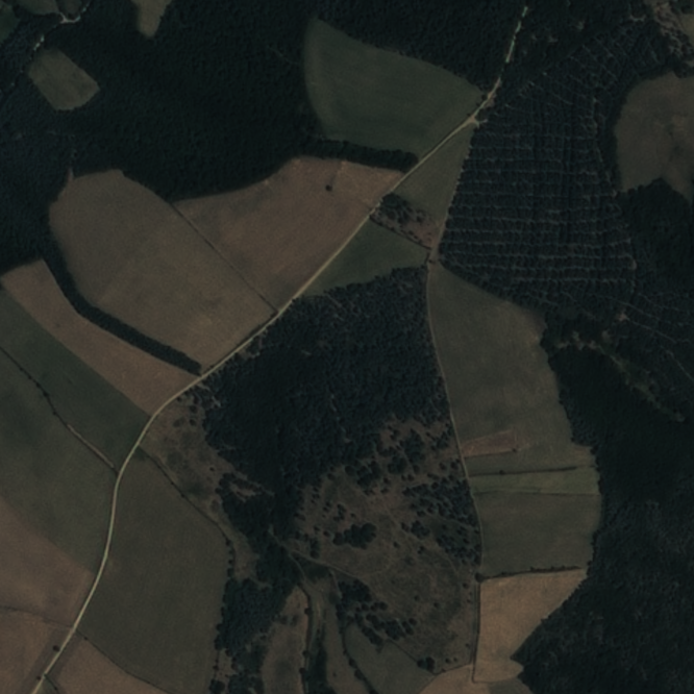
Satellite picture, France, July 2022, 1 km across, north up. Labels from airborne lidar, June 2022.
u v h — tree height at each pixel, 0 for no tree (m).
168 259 0
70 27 13
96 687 0
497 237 15
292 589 14
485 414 0
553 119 17
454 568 0
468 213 15
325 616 0
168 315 0
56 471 0
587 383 13
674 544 13
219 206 0
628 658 11
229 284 0
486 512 0
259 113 17
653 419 13
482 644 0
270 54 9
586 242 19
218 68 11
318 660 7
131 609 0
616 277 18
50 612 0
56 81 0
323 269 0
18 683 0
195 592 0
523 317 0
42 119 12
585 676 17
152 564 0
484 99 8
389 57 0
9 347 0
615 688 22
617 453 15
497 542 0
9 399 0
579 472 0
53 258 20
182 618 0
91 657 0
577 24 14
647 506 16
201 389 11
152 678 0
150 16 0
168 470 0
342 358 16
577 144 18
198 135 14
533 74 13
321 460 6
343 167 0
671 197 18
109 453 0
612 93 19
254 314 0
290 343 13
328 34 0
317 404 16
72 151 9
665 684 14
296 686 0
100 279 0
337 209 0
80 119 10
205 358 0
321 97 0
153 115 11
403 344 16
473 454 0
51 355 0
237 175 13
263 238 0
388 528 0
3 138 17
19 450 0
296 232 0
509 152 21
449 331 0
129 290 0
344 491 0
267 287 0
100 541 0
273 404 17
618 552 16
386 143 0
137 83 7
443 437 8
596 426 13
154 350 14
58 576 0
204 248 0
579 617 10
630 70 20
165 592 0
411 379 17
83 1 14
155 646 0
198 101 11
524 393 0
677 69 15
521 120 17
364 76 0
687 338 15
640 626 13
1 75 20
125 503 0
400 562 0
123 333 15
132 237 0
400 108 0
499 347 0
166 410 0
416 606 0
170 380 0
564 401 11
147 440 0
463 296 0
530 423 0
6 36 0
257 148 15
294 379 13
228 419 13
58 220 0
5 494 0
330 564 0
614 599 16
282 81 12
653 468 16
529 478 0
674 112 0
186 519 0
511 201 19
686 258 7
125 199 0
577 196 18
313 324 16
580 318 12
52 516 0
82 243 0
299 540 14
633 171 0
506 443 0
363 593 9
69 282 21
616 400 14
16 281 0
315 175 0
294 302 9
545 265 16
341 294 14
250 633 17
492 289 17
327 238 0
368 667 0
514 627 0
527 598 0
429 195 0
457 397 0
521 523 0
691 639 15
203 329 0
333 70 0
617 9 14
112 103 10
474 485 0
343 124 0
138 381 0
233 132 18
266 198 0
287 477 11
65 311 0
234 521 13
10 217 9
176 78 12
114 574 0
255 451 13
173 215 0
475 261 13
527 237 14
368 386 19
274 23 14
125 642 0
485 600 0
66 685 0
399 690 0
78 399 0
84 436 0
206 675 0
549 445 0
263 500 13
